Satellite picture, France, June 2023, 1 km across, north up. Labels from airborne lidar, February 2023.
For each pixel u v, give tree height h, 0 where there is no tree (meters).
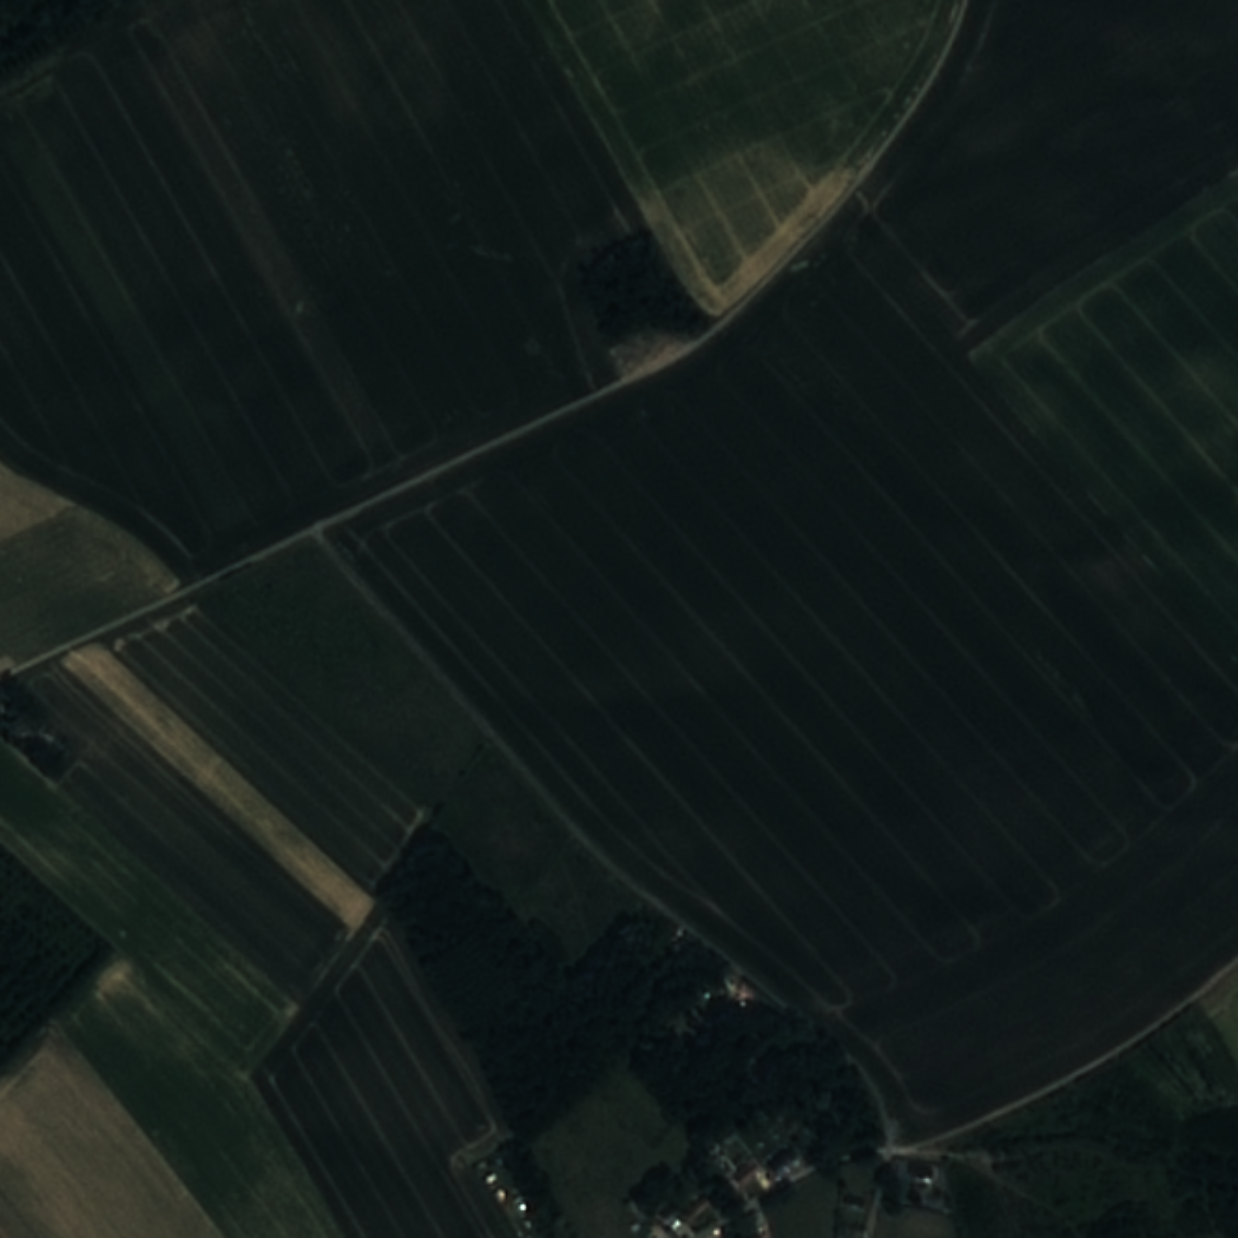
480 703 0
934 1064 0
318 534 0
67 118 0
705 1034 20
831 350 0
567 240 0
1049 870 0
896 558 0
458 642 0
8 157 0
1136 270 0
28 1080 0
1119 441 0
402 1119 0
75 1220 0
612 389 0
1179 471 0
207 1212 0
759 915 0
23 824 0
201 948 0
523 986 15
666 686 0
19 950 11
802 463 0
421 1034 0
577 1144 0
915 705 0
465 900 19
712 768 0
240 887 0
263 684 0
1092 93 0
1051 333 0
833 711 0
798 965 0
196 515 0
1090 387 0
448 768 0
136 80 0
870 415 0
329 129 0
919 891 0
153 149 0
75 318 0
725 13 0
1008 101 0
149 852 0
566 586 0
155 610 0
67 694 0
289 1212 0
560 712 0
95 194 0
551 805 0
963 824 0
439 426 0
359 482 0
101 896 0
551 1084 22
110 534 0
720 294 0
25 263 0
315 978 0
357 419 0
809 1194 0
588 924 0
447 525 0
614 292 20
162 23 0
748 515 0
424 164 0
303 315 0
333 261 0
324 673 0
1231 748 0
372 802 0
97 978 0
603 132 0
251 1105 0
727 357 0
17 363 0
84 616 0
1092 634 0
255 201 0
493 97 0
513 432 0
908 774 0
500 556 0
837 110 0
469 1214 0
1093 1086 7
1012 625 0
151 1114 0
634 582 0
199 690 0
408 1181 0
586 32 0
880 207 0
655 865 0
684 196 0
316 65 0
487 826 0
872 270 0
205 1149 0
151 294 0
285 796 0
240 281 0
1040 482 0
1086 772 0
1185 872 0
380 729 0
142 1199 0
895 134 0
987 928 0
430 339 0
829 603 0
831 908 0
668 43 0
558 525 0
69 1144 0
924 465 0
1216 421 0
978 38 0
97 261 0
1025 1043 0
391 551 0
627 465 0
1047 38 0
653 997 30
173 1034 0
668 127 0
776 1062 22
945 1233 0
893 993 0
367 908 0
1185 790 0
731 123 0
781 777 0
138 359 0
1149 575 0
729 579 0
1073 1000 0
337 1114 0
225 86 0
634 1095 0
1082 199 0
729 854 0
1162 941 0
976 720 0
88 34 0
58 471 0
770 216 0
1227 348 0
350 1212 0
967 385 0
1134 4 0
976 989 0
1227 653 0
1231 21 0
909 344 0
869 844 0
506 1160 7
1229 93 0
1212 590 0
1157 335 0
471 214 0
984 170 0
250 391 0
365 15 0
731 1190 16
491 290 0
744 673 0
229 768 0
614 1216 0
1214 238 0
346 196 0
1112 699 0
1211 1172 15
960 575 0
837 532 0
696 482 0
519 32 0
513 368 0
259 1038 0
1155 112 0
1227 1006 0
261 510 0
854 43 0
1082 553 0
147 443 0
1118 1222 12
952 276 0
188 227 0
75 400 0
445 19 0
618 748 0
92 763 0
